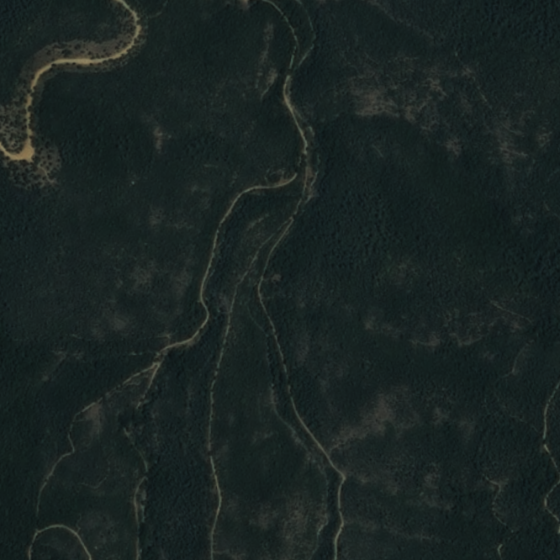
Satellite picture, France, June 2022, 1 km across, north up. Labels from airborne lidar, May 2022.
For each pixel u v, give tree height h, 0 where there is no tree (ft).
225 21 25
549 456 34
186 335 23
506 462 25
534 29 50
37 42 21
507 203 18
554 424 19
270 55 19
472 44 22
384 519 25
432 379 22
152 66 21
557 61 22
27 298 20
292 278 23
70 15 21
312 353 20
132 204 18
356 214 19
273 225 20
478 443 21
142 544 20
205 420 25
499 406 29
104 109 22
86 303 27
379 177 30
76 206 18
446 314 22
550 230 29
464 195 34
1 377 28
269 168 21
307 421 18
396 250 25
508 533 37
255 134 21
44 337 26
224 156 19
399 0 19
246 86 23
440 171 26
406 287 18
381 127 18
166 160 17
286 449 28
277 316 25
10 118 21
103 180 20
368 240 18
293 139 20
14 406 29
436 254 24
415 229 34
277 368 34
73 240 18
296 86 18
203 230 26
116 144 23
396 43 19
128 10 29
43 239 27
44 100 18
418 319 21
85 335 21
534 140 28
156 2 20
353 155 18
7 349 44
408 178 19
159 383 20
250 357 24
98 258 24
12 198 18
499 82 32
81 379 22
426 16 21
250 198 22
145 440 22
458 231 20
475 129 29
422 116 26
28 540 32
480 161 37
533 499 28
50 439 24
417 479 29
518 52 23
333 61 20
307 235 27
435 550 24
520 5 32
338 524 22
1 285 19
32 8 35
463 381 23
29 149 0
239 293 19
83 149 29
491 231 36
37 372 24
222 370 22
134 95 27
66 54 25
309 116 22
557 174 22
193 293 28
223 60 21
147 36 21
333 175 27
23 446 33
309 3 18
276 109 31
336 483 24
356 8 17
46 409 24
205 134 31
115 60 28
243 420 25
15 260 21
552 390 21
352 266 52
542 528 37
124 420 38
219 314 55
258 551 22
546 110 20
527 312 19
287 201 28
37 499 30
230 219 27
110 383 21
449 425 32
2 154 23
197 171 18
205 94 19
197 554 21
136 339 27
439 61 19
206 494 26
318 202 28
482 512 20
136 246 22
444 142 22
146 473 25
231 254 18
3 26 56
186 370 46
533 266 21
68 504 18
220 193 22
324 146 31
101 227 25
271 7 29
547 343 20
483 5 22
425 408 17
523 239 25
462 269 23
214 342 21
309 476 21
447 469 25
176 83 25
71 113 24
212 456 27
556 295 26
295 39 28
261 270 23
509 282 24
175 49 23
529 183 19
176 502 31
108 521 23
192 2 22
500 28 30
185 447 28
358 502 25
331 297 23
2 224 42
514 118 20
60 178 20
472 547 27
